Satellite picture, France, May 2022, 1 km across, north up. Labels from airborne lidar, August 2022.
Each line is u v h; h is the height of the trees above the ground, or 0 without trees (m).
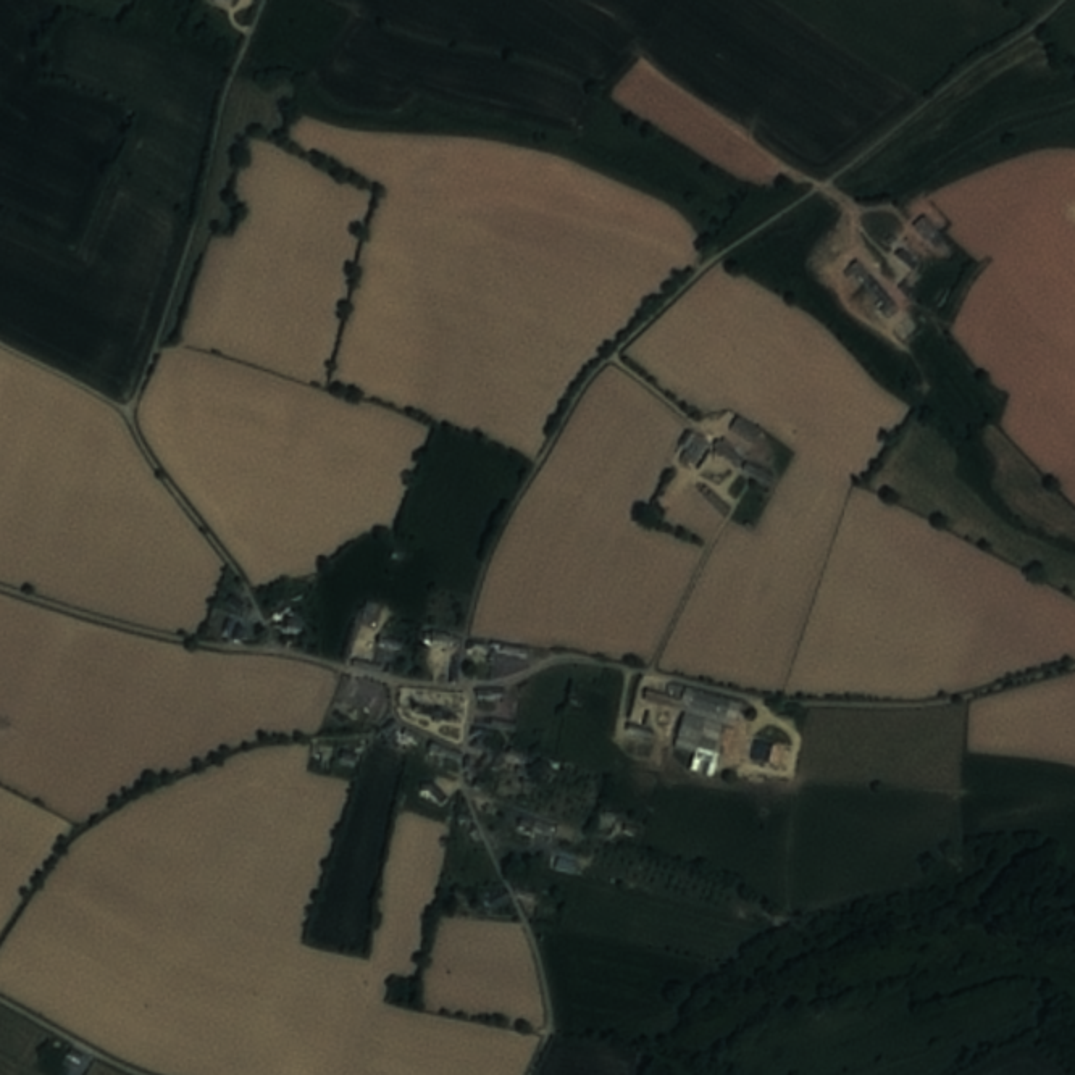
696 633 0
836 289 0
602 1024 0
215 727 0
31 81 0
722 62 0
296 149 14
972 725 0
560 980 0
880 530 0
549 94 0
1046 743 0
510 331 0
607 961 0
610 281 0
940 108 0
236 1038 0
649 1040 12
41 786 0
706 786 0
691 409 13
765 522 0
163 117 0
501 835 0
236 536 0
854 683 0
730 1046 17
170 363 0
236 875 0
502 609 0
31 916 0
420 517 0
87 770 0
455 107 0
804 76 0
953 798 0
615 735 0
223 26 0
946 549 0
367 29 0
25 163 0
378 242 0
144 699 0
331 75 0
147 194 0
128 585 0
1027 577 14
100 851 0
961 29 0
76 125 0
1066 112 0
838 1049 0
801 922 20
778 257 0
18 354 0
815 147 0
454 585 0
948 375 0
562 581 0
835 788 0
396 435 0
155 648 0
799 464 0
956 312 0
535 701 0
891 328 0
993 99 0
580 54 0
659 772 0
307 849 0
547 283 0
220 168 0
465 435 9
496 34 0
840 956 15
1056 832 0
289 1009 0
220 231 16
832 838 0
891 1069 0
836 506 0
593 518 0
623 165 0
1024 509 0
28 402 0
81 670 0
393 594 0
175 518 0
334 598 0
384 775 0
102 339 0
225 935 0
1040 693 0
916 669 0
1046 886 14
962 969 10
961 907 14
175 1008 0
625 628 0
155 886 0
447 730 0
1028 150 0
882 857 0
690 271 9
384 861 7
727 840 0
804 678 0
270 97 0
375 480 0
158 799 0
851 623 0
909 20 0
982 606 0
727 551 0
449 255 0
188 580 0
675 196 0
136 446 0
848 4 0
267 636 14
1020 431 0
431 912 13
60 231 0
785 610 0
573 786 6
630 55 0
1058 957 0
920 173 0
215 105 7
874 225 0
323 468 0
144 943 0
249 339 0
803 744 0
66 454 0
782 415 0
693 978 0
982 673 0
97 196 0
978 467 0
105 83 0
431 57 0
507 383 0
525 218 0
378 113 0
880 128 0
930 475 0
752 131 0
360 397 12
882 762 0
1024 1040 8
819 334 0
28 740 0
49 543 0
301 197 0
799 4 0
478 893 10
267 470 0
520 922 7
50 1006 0
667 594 0
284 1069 0
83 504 0
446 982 0
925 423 16
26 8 0
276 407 0
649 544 0
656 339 0
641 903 0
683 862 10
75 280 0
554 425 14
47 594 0
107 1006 0
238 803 0
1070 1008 19
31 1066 0
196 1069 0
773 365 0
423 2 0
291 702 0
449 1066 0
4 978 0
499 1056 0
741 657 0
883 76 0
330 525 0
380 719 0
